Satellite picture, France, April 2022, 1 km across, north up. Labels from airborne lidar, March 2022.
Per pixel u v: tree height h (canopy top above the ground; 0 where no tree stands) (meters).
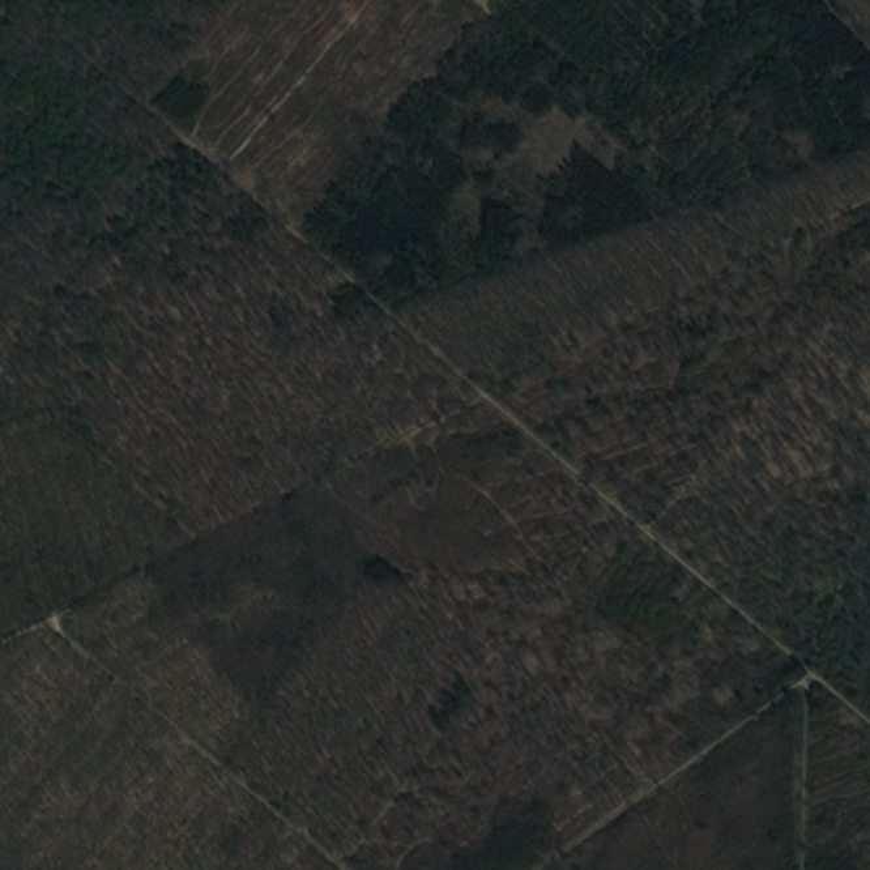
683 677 28
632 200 22
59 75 22
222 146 0
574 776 30
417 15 0
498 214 33
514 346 24
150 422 26
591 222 23
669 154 8
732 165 8
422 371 25
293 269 28
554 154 0
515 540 11
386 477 14
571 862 27
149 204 23
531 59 24
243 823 17
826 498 12
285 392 27
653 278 26
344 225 18
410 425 25
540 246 0
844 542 30
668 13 11
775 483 35
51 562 15
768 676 35
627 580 8
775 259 26
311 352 28
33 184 23
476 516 12
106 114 24
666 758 32
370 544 16
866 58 20
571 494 34
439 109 25
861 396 31
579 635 32
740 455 32
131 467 18
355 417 23
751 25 20
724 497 32
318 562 15
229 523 24
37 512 15
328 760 24
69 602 17
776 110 19
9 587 17
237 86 0
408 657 26
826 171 24
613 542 34
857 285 7
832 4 23
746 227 26
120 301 25
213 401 29
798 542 30
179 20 26
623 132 14
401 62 0
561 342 25
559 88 27
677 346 23
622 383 29
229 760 18
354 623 22
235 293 31
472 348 22
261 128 0
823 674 18
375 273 15
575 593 12
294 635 17
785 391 35
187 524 16
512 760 6
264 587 17
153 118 20
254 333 17
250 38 0
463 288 20
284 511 15
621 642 32
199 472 24
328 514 14
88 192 21
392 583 19
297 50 0
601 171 23
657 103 7
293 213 0
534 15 8
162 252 23
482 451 15
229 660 16
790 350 29
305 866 18
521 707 26
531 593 31
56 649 0
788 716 9
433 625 27
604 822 0
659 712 27
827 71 21
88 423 22
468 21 0
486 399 0
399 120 20
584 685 31
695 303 0
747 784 16
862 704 29
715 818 9
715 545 32
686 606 6
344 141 0
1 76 25
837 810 7
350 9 0
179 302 26
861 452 33
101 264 26
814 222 22
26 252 24
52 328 24
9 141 22
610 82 9
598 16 9
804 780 0
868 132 24
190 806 0
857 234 9
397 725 29
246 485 26
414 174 20
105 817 21
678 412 32
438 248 20
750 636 28
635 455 32
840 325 32
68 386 22
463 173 17
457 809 31
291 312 25
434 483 10
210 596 18
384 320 25
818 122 10
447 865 12
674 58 16
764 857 9
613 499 0
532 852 11
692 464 33
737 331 28
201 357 31
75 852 22
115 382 26
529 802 8
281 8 0
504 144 20
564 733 26
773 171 17
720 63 24
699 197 8
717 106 11
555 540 31
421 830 31
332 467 23
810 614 26
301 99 0
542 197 7
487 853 10
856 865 8
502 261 24
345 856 19
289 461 25
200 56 0
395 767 27
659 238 25
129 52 24
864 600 29
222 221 23
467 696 29
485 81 23
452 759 29
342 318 23
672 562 31
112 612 0
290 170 0
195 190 23
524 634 0
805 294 8
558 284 26
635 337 30
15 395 25
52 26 21
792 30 22
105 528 15
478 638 30
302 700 22
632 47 6
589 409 10
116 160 24
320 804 27
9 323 24
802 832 0
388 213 19
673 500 31
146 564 13
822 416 33
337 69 0
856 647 29
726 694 28
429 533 14
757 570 30
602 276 27
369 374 29
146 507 16
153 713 20
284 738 24
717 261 24
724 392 27
